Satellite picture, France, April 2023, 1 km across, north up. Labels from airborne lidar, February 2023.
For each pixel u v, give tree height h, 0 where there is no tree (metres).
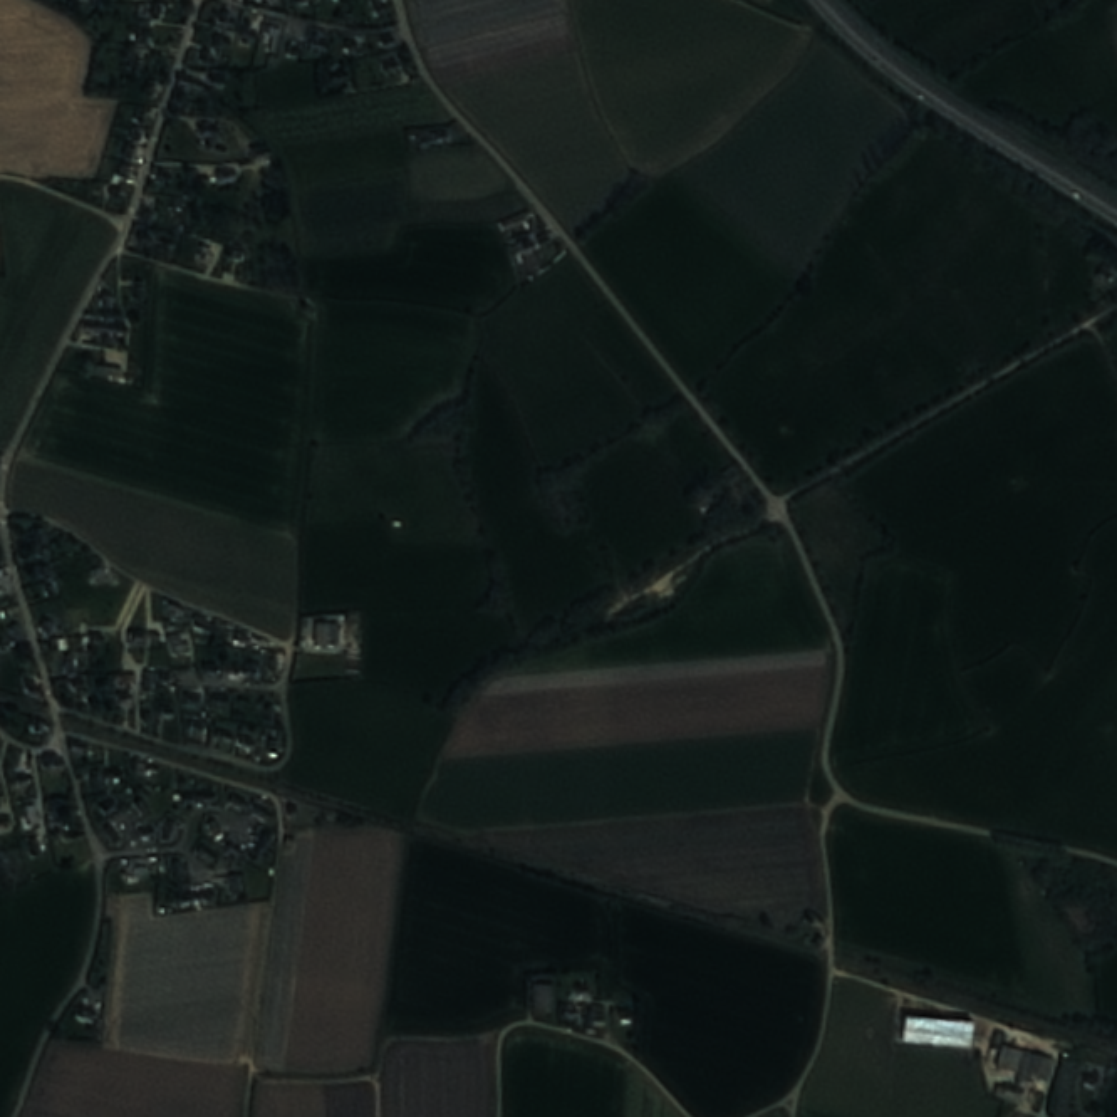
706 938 0
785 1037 0
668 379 0
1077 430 0
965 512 0
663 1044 0
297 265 8
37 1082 0
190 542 0
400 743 0
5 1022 0
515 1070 0
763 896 0
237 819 0
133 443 0
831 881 0
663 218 0
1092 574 0
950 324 0
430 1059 0
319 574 0
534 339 0
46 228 0
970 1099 0
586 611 10
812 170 0
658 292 0
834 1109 0
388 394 0
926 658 0
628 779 0
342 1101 0
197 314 0
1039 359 9
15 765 9
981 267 0
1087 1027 9
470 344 0
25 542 12
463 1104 0
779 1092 0
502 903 0
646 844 0
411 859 0
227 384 0
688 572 0
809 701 0
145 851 0
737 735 0
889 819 0
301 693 0
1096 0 0
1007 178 10
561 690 0
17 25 0
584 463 9
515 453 0
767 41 0
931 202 0
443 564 0
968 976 0
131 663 0
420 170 0
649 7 0
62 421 0
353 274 0
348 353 0
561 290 0
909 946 0
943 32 0
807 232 0
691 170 0
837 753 0
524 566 0
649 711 0
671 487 0
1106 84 0
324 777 0
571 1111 0
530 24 0
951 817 0
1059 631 0
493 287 0
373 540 0
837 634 0
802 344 0
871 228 0
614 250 0
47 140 0
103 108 0
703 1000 0
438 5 0
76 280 0
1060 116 0
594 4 0
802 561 0
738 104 0
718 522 11
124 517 0
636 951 0
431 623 0
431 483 0
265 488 0
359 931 0
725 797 0
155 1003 0
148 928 0
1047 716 0
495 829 0
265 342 0
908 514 0
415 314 0
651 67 0
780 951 0
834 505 0
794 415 0
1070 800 0
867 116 0
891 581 0
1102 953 8
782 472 0
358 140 0
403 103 0
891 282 0
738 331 0
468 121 0
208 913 0
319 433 0
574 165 0
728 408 0
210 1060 0
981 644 0
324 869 0
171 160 0
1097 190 0
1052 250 0
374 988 0
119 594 0
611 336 0
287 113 0
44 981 0
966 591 0
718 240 0
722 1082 0
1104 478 0
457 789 0
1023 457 0
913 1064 0
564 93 0
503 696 0
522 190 0
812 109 0
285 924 0
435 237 0
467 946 0
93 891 0
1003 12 0
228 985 0
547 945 0
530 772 0
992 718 0
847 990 0
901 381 0
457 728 0
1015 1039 0
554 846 0
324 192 0
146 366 0
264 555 0
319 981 0
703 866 0
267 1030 0
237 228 11
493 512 0
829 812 0
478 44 0
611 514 0
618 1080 0
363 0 6
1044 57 0
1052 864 7
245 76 9
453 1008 0
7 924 0
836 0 0
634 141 0
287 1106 0
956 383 0
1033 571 0
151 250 8
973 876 0
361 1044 0
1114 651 0
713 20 0
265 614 0
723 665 0
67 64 0
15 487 0
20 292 0
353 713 0
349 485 0
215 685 0
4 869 13
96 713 9
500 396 0
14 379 0
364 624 0
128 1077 0
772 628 0
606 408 0
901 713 0
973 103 0
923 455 0
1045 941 0
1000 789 0
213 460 0
